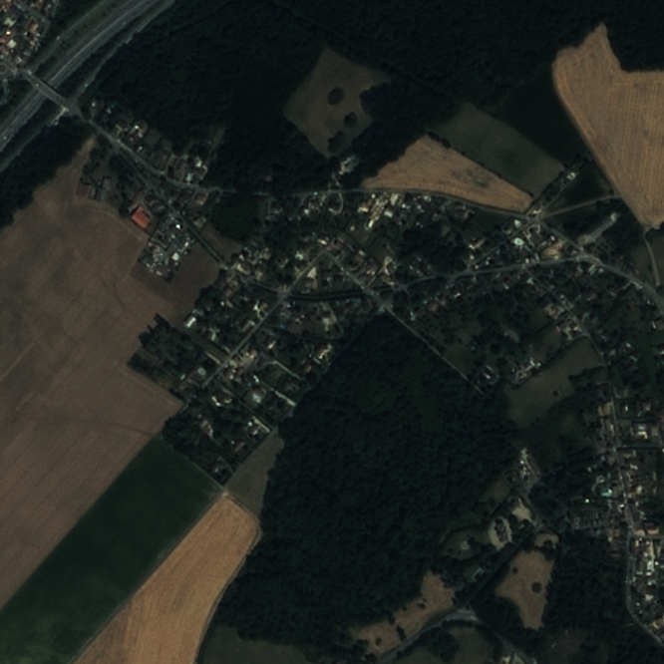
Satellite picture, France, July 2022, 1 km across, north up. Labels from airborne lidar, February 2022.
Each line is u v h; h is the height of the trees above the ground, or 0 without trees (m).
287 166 10
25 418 0
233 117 8
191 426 7
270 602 10
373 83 0
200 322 14
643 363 9
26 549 0
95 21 0
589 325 0
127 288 0
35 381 0
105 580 0
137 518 0
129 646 0
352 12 12
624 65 11
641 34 25
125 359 0
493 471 6
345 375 18
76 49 0
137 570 0
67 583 0
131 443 0
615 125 0
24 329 0
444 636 14
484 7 28
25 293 0
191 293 0
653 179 0
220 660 0
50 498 0
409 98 23
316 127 0
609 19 19
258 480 0
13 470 0
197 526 0
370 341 15
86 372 0
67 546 0
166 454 0
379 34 20
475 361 0
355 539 20
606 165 0
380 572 19
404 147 17
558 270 8
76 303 0
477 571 0
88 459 0
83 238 0
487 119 0
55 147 19
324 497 25
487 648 0
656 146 0
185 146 16
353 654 18
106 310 0
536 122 0
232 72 18
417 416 11
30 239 0
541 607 0
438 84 25
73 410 0
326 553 12
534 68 23
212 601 0
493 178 0
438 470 17
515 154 0
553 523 6
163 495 0
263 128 10
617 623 8
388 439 16
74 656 0
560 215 0
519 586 0
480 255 12
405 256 15
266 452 0
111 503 0
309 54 22
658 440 0
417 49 23
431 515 23
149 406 0
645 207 0
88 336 0
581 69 0
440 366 12
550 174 0
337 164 16
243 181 17
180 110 13
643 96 0
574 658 0
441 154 0
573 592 12
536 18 22
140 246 0
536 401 0
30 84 9
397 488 21
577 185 0
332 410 15
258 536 0
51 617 0
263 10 24
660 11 24
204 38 19
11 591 0
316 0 12
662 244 0
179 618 0
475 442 21
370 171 18
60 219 0
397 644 0
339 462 31
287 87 9
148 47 16
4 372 0
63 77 0
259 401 0
